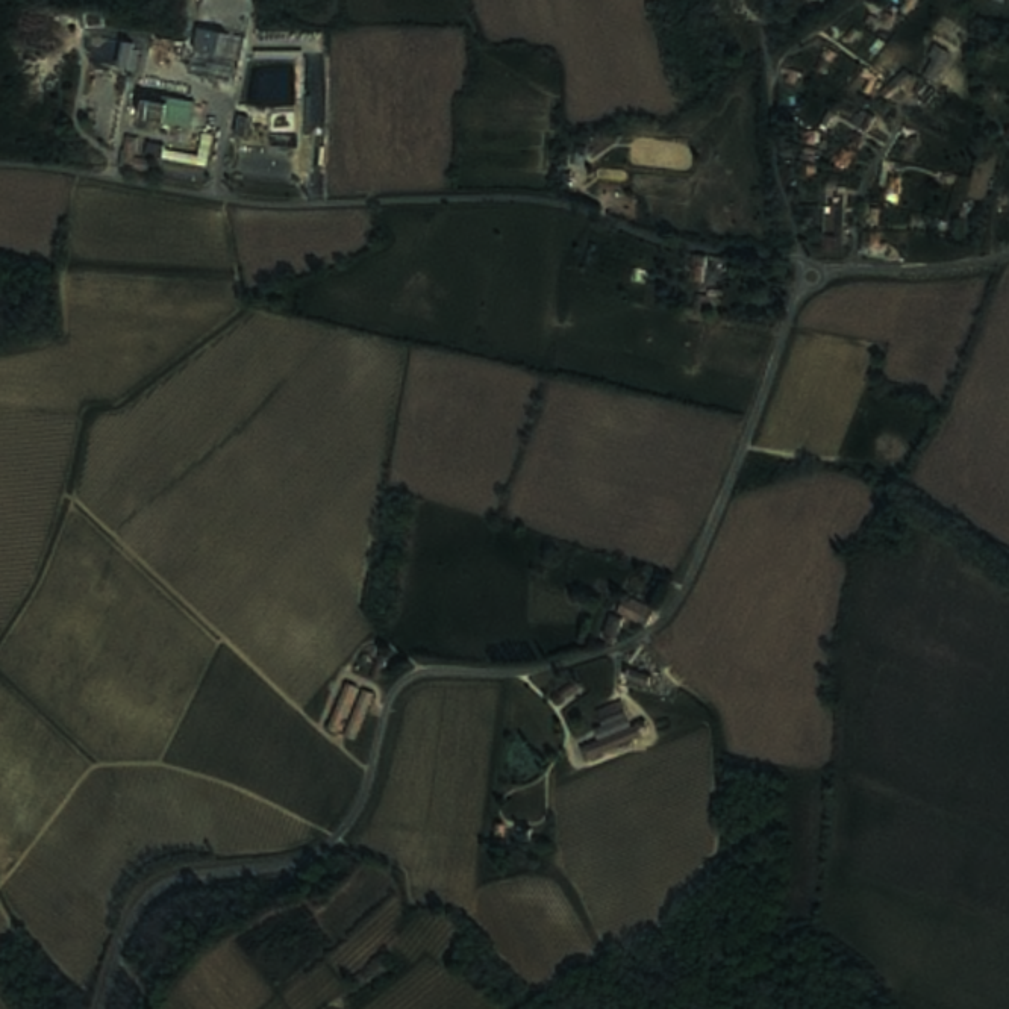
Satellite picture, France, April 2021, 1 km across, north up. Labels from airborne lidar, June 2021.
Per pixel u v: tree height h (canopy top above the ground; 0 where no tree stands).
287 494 0
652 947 20
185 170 0
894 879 0
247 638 0
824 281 0
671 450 0
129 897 11
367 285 0
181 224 0
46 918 0
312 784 0
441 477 0
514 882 0
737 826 22
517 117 0
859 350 0
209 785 0
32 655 0
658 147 0
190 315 0
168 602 0
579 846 0
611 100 0
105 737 0
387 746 0
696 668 0
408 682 0
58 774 0
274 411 0
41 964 12
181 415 0
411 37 0
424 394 0
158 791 0
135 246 0
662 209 0
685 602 0
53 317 17
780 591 0
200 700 0
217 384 0
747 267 9
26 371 0
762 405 0
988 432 0
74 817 0
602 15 0
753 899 28
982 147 13
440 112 0
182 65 0
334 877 13
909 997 0
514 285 0
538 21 0
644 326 0
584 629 14
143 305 0
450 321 0
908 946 0
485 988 17
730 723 0
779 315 16
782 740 0
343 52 0
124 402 0
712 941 23
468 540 0
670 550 0
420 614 0
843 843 0
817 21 14
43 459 0
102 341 0
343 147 0
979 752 0
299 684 0
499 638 0
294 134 0
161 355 0
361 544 0
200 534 0
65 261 13
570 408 0
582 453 0
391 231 0
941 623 0
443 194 0
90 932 0
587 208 18
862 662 0
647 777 0
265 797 0
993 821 0
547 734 0
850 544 6
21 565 0
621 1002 20
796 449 0
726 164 0
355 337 0
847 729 0
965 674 0
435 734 0
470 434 0
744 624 0
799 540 0
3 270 21
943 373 0
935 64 0
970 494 0
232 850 0
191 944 17
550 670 0
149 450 0
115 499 0
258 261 0
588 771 0
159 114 0
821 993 15
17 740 0
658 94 0
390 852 0
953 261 0
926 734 0
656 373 0
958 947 0
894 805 0
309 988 0
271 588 0
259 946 7
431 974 0
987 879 0
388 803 0
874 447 0
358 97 0
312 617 0
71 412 0
